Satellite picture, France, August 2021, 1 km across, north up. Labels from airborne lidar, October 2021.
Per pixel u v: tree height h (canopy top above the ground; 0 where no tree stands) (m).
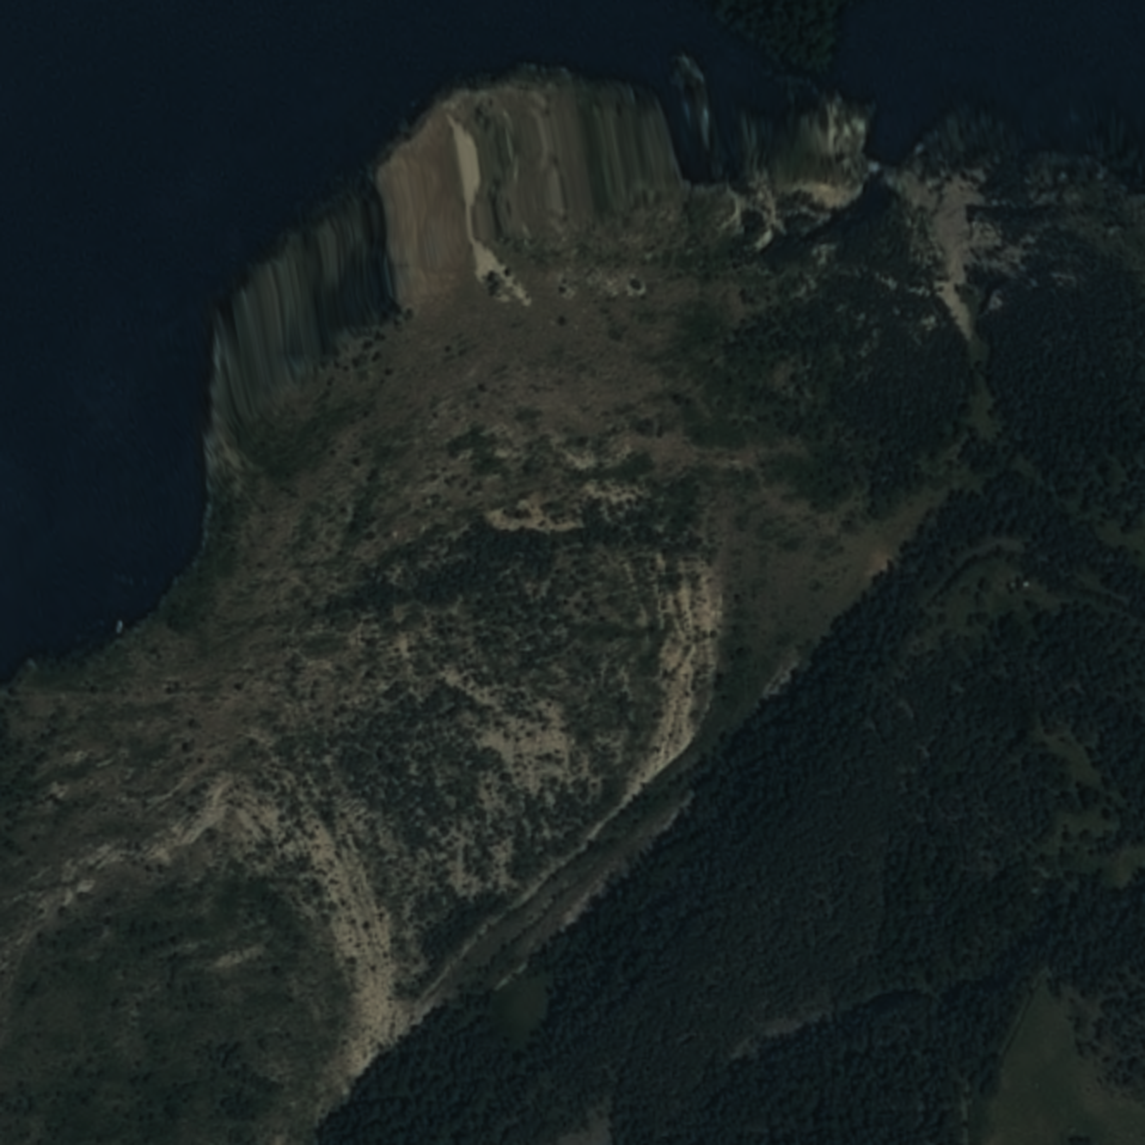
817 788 14
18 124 22
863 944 9
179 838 0
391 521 0
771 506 0
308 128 20
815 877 13
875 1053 15
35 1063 0
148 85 22
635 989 8
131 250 12
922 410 11
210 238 12
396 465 0
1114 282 5
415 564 7
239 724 0
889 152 0
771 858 13
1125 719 22
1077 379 13
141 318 7
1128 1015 8
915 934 17
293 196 22
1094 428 20
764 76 18
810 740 16
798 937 10
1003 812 14
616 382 0
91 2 21
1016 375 9
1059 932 8
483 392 8
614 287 0
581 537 8
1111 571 7
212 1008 7
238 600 0
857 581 0
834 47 20
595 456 0
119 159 19
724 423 0
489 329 0
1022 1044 0
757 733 18
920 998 13
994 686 17
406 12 24
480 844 8
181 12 22
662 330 0
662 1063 12
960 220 0
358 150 31
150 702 0
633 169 0
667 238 0
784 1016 8
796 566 0
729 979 9
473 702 7
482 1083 13
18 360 14
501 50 25
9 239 12
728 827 13
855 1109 19
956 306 0
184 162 18
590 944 9
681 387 0
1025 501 12
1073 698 16
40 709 0
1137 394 9
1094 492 9
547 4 33
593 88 12
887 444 11
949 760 15
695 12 21
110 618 11
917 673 10
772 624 0
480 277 0
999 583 0
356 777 7
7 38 18
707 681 0
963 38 13
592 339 0
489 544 6
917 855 13
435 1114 8
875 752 14
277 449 0
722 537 0
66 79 21
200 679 0
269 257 14
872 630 6
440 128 20
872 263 8
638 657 0
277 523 0
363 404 0
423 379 0
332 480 0
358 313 7
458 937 10
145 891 0
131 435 6
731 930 10
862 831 15
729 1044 11
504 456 0
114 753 0
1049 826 11
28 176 21
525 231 0
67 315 17
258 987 0
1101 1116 0
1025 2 24
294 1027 0
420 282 0
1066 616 13
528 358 0
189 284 16
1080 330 8
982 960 12
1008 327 7
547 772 0
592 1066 10
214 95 15
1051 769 13
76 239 13
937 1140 20
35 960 0
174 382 12
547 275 0
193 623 0
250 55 7
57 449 7
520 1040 0
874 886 11
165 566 10
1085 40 8
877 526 0
